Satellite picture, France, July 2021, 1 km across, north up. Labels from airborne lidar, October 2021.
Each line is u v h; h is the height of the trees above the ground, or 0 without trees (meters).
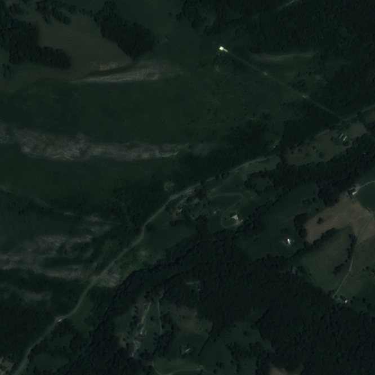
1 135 0
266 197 0
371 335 25
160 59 0
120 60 0
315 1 23
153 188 10
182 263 39
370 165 31
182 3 0
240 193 0
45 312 7
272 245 0
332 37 21
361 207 0
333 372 26
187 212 15
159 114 0
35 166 0
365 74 29
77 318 0
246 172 0
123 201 12
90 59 0
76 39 0
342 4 27
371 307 16
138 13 0
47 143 0
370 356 34
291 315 22
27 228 0
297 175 32
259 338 0
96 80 0
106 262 10
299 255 20
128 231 15
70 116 0
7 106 0
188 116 0
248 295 22
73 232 5
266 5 18
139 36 27
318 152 9
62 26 0
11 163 0
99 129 0
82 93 0
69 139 0
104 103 0
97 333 34
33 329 10
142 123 0
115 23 20
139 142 0
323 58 13
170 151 0
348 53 22
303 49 13
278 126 0
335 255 0
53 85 0
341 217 0
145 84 0
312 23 20
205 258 31
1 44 14
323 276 0
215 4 19
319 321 34
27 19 0
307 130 7
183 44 0
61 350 19
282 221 0
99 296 14
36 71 0
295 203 0
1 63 0
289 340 22
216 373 13
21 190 0
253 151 10
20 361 12
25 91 0
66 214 5
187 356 14
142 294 13
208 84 0
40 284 12
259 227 31
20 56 23
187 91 0
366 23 26
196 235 7
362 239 0
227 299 22
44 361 0
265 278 14
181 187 9
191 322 0
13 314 22
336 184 21
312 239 0
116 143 0
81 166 0
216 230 0
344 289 0
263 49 11
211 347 0
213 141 6
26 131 0
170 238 0
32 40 24
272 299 25
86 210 8
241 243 19
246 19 10
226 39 0
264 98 0
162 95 0
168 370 0
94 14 18
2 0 17
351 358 23
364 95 12
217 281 29
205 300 17
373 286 0
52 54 24
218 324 16
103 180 0
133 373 14
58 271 0
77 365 22
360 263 0
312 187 0
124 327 0
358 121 8
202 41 0
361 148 20
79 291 10
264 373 18
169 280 19
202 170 16
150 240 0
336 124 11
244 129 7
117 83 0
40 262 0
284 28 12
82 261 12
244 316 16
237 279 29
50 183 0
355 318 25
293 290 28
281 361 26
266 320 22
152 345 0
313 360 25
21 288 11
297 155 0
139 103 0
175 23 0
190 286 13
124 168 0
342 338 15
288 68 0
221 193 0
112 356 11
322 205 0
